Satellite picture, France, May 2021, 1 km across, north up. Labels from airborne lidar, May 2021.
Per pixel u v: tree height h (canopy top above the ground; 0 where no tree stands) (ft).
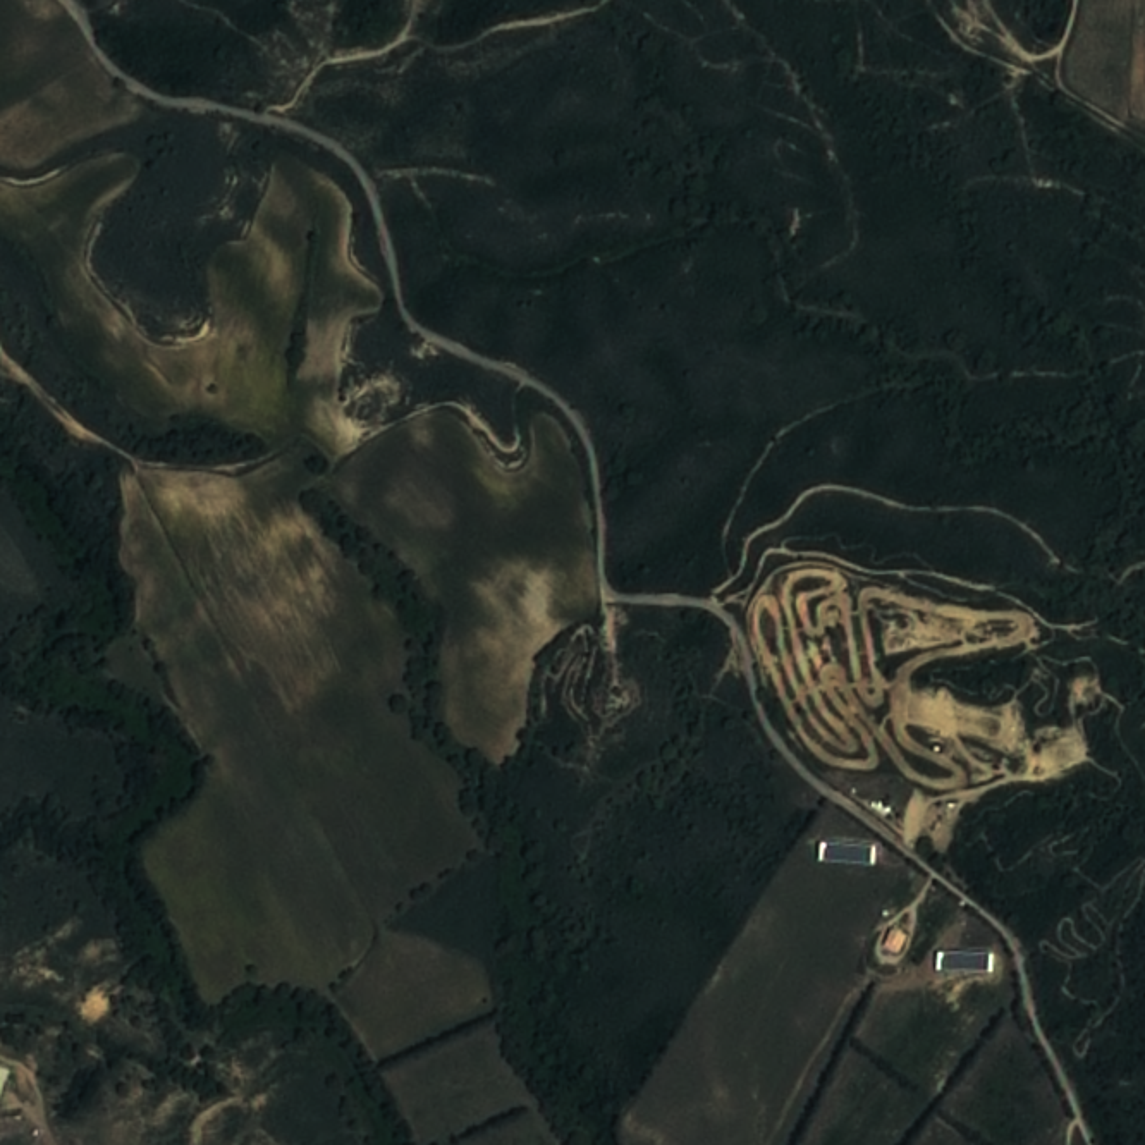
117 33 20
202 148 0
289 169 0
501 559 0
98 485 30
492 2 18
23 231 0
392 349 0
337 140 0
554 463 0
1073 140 28
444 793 0
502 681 0
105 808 28
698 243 27
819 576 0
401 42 0
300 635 0
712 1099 0
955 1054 0
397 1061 48
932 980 0
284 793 0
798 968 0
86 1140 0
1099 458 33
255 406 0
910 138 31
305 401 0
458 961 0
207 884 0
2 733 0
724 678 0
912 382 29
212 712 0
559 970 40
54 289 0
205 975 0
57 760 0
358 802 0
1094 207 33
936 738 0
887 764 0
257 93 0
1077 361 23
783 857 25
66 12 0
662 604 0
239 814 0
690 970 0
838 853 0
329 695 0
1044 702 0
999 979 0
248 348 0
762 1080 0
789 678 0
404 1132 20
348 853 0
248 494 0
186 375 0
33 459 37
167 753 25
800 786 0
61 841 27
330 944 0
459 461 0
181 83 21
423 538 0
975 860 18
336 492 0
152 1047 0
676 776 33
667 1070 0
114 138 0
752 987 0
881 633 0
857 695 0
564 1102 46
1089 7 0
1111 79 0
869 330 42
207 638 0
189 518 0
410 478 0
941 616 0
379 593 31
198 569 0
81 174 0
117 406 0
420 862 0
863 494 0
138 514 0
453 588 0
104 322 0
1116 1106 24
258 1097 0
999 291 22
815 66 27
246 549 0
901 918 0
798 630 0
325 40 0
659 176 26
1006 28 0
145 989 22
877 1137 0
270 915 0
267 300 0
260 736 0
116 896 43
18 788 0
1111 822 31
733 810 30
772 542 0
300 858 0
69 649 32
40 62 0
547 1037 26
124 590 38
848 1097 0
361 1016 0
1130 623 30
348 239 0
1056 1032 31
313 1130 0
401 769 0
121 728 37
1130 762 28
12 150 0
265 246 0
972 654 0
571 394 0
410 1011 0
